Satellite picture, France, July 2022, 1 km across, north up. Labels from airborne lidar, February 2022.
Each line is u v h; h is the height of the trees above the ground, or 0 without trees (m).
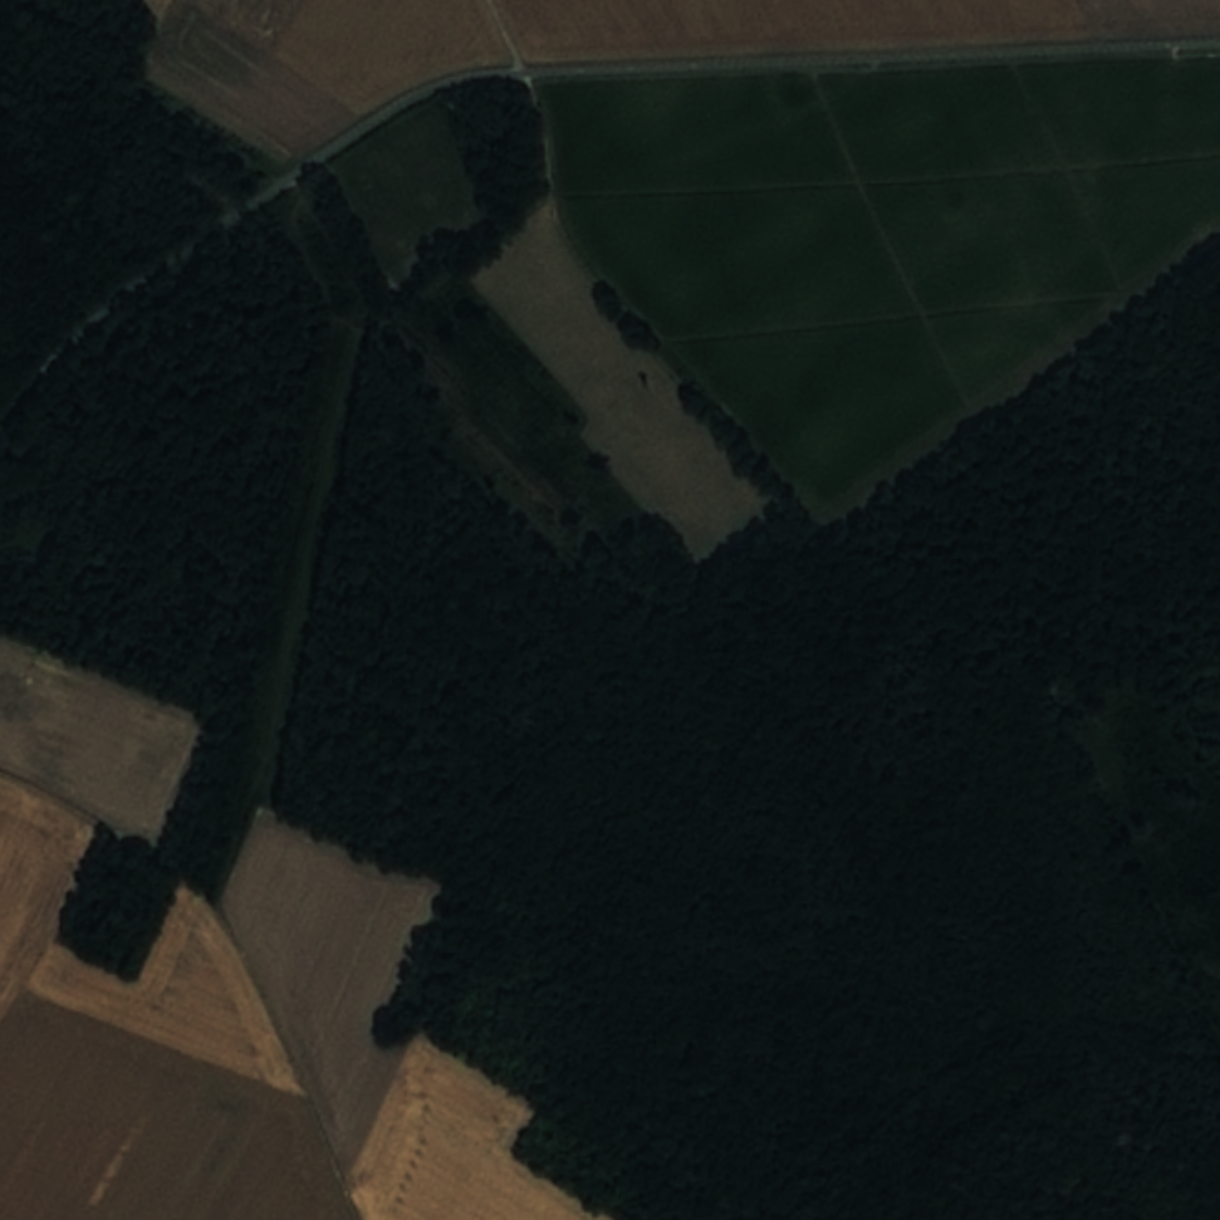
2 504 19
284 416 19
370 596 27
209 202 28
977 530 21
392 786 23
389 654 26
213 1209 0
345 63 0
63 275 20
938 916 15
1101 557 22
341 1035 0
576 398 0
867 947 16
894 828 18
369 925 0
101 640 10
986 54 0
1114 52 0
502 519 26
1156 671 16
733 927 22
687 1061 22
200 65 0
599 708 17
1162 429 20
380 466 21
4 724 0
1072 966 21
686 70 0
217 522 22
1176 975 20
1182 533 22
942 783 20
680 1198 23
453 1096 0
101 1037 0
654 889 20
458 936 26
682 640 22
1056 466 22
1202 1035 20
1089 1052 17
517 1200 0
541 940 16
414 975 19
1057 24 0
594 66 0
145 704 0
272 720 0
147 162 28
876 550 17
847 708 21
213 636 21
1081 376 18
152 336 19
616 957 22
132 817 0
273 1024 0
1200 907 0
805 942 19
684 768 19
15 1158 0
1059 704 25
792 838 23
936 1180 20
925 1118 14
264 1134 0
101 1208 0
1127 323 18
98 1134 0
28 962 0
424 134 0
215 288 22
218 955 0
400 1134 0
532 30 0
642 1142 15
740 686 20
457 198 0
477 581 26
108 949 19
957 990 19
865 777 24
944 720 21
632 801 17
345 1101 0
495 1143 0
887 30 0
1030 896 16
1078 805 18
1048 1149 19
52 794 0
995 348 0
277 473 17
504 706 19
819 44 0
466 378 0
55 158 22
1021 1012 16
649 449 0
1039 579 19
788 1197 19
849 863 18
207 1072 0
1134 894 20
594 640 26
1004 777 17
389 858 24
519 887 19
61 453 11
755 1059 18
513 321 0
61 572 18
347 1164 0
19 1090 0
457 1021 20
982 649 6
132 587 23
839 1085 17
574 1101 21
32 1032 0
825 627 19
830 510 0
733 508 0
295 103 0
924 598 20
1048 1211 21
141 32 23
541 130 19
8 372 22
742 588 23
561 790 15
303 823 14
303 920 0
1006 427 24
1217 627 9
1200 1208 21
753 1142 19
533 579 19
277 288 23
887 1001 18
